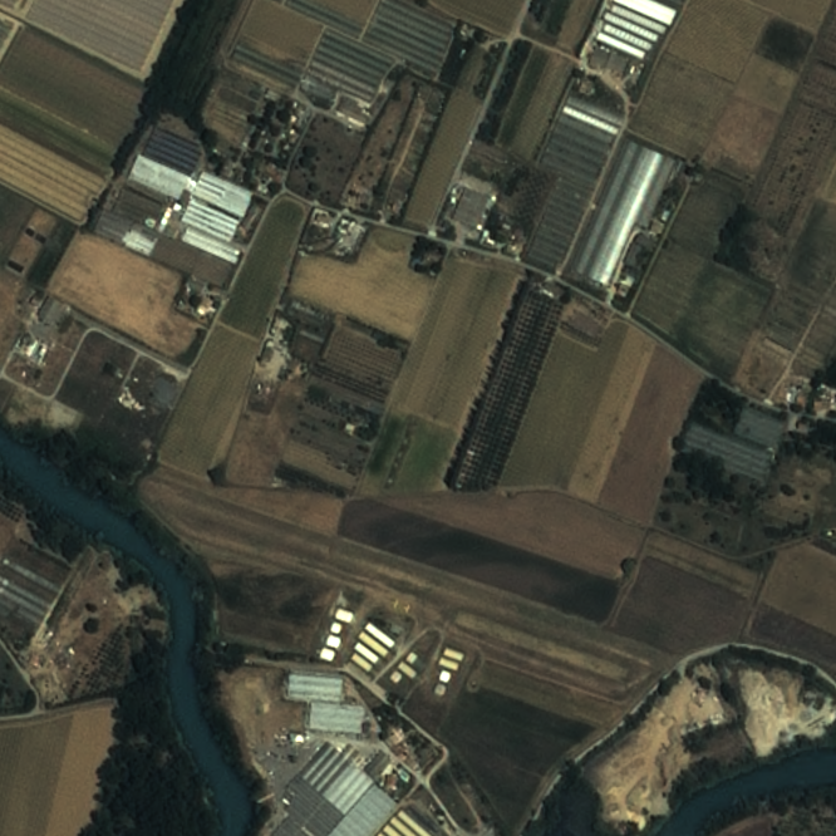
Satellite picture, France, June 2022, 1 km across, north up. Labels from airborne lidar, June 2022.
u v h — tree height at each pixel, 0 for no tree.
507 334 12
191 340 0
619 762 0
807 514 5
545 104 0
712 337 0
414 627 0
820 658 0
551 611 0
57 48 0
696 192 0
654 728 0
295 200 0
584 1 0
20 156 0
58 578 0
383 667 0
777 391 0
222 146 0
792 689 0
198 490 0
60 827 0
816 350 0
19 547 0
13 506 6
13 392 0
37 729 0
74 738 0
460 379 0
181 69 9
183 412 0
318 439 0
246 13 0
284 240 0
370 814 0
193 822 12
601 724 0
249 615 0
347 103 0
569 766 10
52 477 0
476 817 0
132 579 15
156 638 18
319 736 0
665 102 0
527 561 0
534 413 0
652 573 0
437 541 0
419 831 0
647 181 0
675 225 0
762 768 0
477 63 0
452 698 0
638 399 0
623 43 0
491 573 0
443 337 0
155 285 0
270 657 10
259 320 0
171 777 25
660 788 0
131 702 15
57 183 0
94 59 0
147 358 0
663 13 0
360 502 0
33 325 0
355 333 0
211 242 0
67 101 0
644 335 0
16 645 6
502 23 0
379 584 0
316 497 0
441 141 0
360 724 0
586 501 0
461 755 0
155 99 22
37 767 0
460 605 0
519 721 0
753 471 0
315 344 0
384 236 0
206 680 8
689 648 0
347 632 0
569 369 0
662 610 0
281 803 0
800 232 0
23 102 0
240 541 0
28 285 0
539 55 0
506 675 0
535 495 0
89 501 0
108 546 8
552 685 0
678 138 0
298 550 0
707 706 0
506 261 0
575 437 0
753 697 0
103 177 0
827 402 0
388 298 0
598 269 0
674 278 0
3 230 0
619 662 0
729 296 0
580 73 9
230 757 10
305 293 0
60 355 0
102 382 0
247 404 0
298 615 0
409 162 0
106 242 0
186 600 0
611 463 0
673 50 0
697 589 0
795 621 0
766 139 0
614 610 0
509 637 0
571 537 0
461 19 7
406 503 0
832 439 10
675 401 0
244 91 0
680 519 0
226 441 0
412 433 0
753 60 0
